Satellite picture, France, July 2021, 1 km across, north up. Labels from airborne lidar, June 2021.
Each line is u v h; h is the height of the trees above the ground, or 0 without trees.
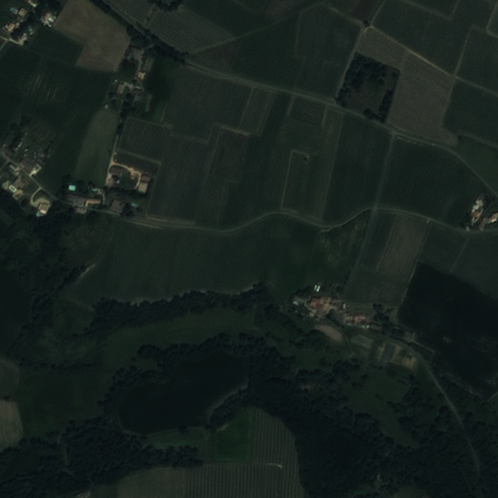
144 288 0
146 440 9
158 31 0
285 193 0
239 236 0
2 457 14
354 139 0
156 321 14
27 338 6
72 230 0
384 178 0
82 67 0
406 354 0
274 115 0
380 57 0
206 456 0
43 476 18
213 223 0
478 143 0
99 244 0
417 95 0
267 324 0
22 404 0
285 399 19
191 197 0
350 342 0
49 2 14
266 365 23
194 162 0
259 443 0
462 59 0
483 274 0
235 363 0
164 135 0
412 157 0
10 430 0
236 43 0
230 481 0
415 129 0
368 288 0
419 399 14
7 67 0
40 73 0
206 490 0
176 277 0
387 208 0
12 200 20
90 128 0
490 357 0
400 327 6
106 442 23
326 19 0
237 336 0
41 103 0
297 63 0
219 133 0
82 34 0
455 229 0
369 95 0
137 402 0
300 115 0
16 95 0
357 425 17
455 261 0
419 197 0
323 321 0
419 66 0
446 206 0
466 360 0
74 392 0
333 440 24
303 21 0
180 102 0
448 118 0
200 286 0
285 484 0
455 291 0
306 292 10
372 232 0
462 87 0
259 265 0
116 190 9
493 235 0
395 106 0
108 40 0
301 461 14
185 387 0
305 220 0
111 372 0
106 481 19
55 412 0
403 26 0
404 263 0
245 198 0
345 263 0
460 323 0
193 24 0
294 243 0
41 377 0
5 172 0
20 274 10
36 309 15
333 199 0
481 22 0
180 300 23
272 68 0
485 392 0
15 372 0
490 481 15
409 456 16
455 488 21
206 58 0
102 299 7
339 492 24
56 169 0
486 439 9
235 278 0
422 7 0
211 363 0
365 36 0
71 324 0
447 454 19
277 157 0
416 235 0
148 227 0
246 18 0
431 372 0
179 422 0
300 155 0
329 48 0
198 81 0
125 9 0
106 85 0
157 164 0
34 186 0
